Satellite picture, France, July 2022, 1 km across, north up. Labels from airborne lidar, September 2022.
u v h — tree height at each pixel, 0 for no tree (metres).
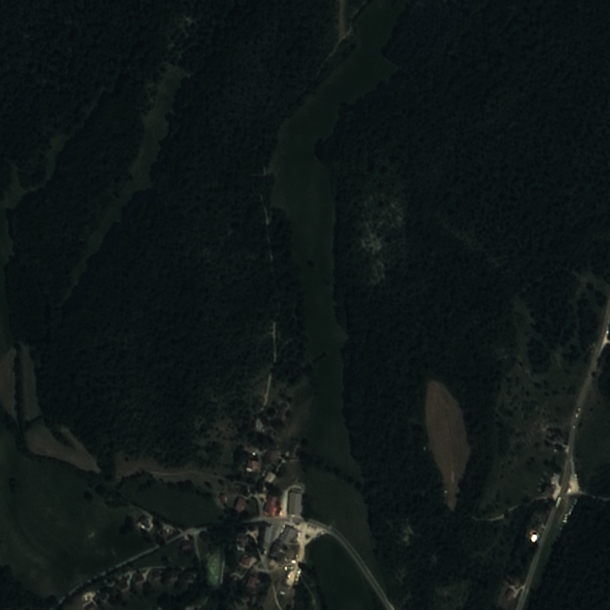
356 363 24
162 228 16
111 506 14
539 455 0
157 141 0
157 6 18
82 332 15
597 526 15
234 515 16
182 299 11
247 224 11
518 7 14
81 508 0
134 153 5
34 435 0
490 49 12
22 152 10
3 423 12
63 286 14
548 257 9
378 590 0
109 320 15
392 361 10
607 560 13
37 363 14
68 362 21
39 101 22
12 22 13
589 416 0
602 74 16
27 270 17
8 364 0
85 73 18
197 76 25
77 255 16
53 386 22
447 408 0
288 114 7
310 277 0
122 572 10
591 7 8
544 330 9
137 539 0
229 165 9
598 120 13
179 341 14
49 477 0
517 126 11
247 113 7
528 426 0
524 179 11
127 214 24
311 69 9
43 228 16
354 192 13
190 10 10
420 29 23
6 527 0
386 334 12
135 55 19
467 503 8
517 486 0
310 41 7
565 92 12
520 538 15
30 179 10
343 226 14
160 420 5
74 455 0
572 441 0
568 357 9
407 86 23
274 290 18
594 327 18
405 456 9
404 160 9
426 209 12
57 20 13
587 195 9
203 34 21
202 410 7
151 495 0
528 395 9
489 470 7
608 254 13
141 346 13
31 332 10
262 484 7
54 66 14
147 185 0
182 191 9
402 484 10
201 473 0
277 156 0
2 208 0
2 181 15
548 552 0
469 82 11
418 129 12
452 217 10
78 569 0
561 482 0
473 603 9
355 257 10
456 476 0
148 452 8
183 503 0
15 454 0
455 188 13
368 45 0
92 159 15
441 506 15
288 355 12
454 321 7
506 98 7
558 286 11
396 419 13
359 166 12
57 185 19
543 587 13
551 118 11
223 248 6
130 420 9
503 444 6
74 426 18
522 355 0
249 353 15
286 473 0
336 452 0
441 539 9
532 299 6
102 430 9
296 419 0
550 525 0
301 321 18
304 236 0
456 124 10
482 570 10
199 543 0
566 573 13
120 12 7
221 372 10
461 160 9
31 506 0
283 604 0
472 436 19
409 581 6
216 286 8
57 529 0
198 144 11
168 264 8
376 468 8
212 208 9
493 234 11
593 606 13
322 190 0
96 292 20
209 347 7
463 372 8
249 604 9
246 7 23
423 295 14
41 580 0
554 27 9
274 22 15
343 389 0
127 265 13
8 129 11
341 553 0
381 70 0
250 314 8
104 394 14
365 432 12
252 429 7
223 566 0
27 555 0
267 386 0
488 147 10
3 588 15
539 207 10
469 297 9
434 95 12
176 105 12
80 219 12
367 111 26
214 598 13
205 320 8
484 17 12
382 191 6
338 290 13
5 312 0
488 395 6
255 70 7
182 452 10
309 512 15
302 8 6
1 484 0
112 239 24
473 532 5
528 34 19
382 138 18
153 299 13
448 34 25
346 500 0
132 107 10
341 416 0
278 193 0
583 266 11
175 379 13
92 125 20
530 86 9
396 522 6
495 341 8
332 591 0
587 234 14
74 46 24
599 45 10
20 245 19
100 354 16
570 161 20
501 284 10
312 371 19
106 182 13
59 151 0
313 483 0
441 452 0
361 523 0
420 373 12
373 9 0
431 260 16
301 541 0
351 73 0
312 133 0
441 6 19
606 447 0
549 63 7
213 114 11
